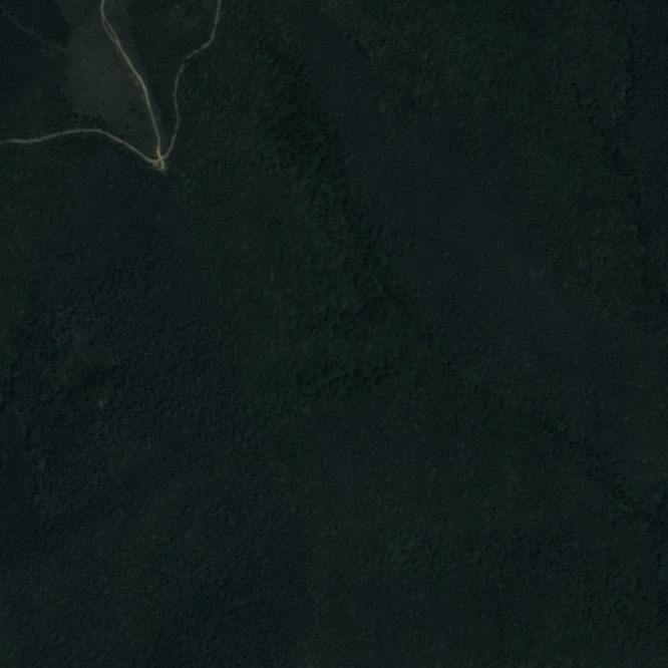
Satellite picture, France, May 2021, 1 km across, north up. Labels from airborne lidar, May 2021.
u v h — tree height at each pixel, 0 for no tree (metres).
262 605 8
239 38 8
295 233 10
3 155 10
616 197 16
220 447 8
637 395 7
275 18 9
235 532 6
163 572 8
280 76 17
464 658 6
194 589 6
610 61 6
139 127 0
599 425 13
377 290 18
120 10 0
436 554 14
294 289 10
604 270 12
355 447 6
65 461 12
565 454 13
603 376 6
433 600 6
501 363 10
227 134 9
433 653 6
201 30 6
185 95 11
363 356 11
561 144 13
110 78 0
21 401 16
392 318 15
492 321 7
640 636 13
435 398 17
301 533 7
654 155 6
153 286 15
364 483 8
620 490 15
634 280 23
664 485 19
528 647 11
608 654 6
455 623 7
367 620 6
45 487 12
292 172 15
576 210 13
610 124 18
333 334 13
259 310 7
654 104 9
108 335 10
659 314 23
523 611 7
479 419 7
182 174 8
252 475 7
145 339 6
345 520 7
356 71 6
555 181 10
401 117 8
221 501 8
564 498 10
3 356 7
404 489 8
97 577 9
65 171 9
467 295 6
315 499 6
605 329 5
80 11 0
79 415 7
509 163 7
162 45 6
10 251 10
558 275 9
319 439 7
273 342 8
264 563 11
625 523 15
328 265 12
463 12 12
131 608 7
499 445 14
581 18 10
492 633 8
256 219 7
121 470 6
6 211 10
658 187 9
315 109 14
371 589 6
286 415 14
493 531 13
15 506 9
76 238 9
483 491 9
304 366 7
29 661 13
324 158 13
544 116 13
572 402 8
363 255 12
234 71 9
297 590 7
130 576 9
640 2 12
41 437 11
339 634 7
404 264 7
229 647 6
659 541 20
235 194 7
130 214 6
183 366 10
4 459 20
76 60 0
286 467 8
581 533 17
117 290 14
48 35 6
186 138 5
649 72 14
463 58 8
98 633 7
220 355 13
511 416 15
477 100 11
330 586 7
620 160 26
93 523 9
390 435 8
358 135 6
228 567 12
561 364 9
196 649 10
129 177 6
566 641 8
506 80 16
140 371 10
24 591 9
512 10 15
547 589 9
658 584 14
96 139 11
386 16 6
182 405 15
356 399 11
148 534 11
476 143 7
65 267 9
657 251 11
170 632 13
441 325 7
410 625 6
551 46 18
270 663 9
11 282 11
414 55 10
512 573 14
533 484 13
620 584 13
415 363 19
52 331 9
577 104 15
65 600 11
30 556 8
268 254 7
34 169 6
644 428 5
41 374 11
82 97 0
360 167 6
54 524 15
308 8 6
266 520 6
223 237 10
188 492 7
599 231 12
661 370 8
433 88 8
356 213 12
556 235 6
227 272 7
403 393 6
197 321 6
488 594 9
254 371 5
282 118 16
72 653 8
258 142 8
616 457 12
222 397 17
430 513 6
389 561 8
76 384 6
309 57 6
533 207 8
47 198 7
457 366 15
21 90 6
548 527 11
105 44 0
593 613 16
